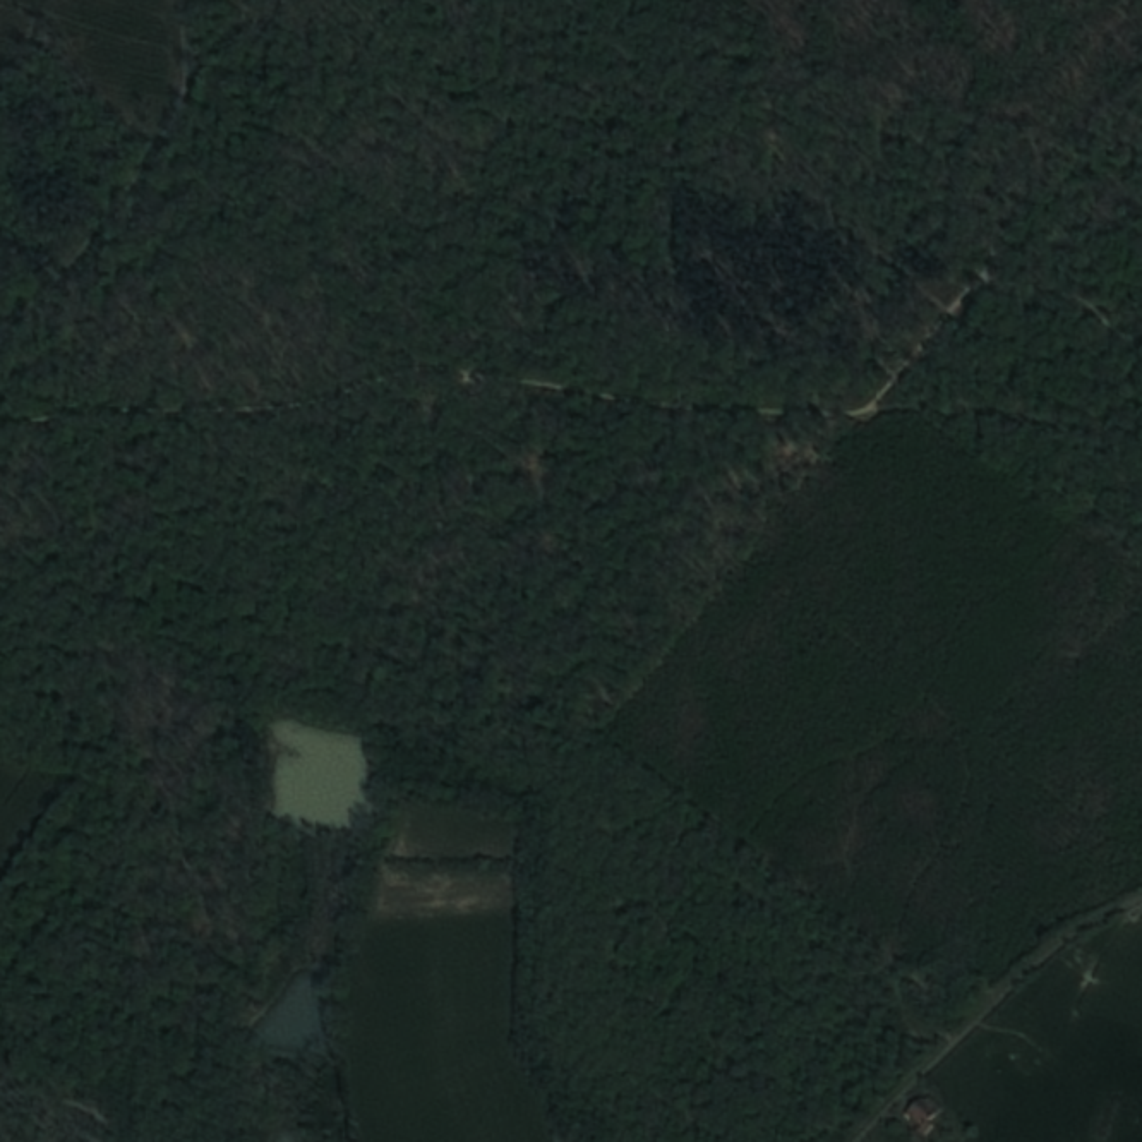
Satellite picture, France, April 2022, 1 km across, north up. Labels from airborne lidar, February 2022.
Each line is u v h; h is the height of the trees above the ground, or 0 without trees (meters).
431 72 27
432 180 29
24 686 30
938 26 24
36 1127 22
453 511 26
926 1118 0
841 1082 29
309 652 28
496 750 27
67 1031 22
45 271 24
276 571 31
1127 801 8
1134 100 25
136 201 22
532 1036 20
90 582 27
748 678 9
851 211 29
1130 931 0
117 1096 14
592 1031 26
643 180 27
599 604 27
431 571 26
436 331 25
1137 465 26
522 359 20
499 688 31
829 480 11
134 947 25
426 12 31
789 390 23
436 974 0
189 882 28
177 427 24
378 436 25
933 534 9
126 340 19
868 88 30
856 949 24
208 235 24
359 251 29
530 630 31
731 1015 28
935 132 24
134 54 0
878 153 29
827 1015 27
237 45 24
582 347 26
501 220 26
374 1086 0
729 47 26
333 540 29
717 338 28
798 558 11
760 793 10
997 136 28
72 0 0
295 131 28
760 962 24
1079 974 0
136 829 26
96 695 29
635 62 24
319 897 14
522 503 30
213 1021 28
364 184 28
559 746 20
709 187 29
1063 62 21
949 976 18
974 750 8
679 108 25
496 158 26
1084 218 25
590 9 26
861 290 28
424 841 0
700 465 29
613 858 24
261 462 30
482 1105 0
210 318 30
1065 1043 0
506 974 0
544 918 20
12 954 23
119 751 27
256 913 30
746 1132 27
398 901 0
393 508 22
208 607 24
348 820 0
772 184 31
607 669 24
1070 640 10
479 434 23
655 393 23
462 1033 0
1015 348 25
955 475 11
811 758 9
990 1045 0
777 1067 28
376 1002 0
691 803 24
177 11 0
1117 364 22
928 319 23
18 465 26
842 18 26
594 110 22
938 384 25
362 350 25
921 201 24
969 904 9
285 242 27
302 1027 0
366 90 26
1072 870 8
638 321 24
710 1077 30
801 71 28
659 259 24
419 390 27
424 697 27
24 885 21
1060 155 26
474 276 26
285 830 20
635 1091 23
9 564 28
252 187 26
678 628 25
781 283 34
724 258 29
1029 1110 0
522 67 28
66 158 20
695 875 21
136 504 26
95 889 26
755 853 25
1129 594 10
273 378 28
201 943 26
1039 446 22
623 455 27
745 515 31
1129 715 7
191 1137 30
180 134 25
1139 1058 0
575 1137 17
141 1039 28
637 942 28
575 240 32
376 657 28
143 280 29
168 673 31
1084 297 27
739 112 25
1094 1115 0
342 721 25
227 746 25
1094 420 26
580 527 26
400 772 11
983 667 8
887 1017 13
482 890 0
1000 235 28
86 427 25
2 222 25
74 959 26
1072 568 5
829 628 11
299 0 30
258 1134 21
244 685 25
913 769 6
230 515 31
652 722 10
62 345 28
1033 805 7
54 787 0
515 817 12
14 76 30
